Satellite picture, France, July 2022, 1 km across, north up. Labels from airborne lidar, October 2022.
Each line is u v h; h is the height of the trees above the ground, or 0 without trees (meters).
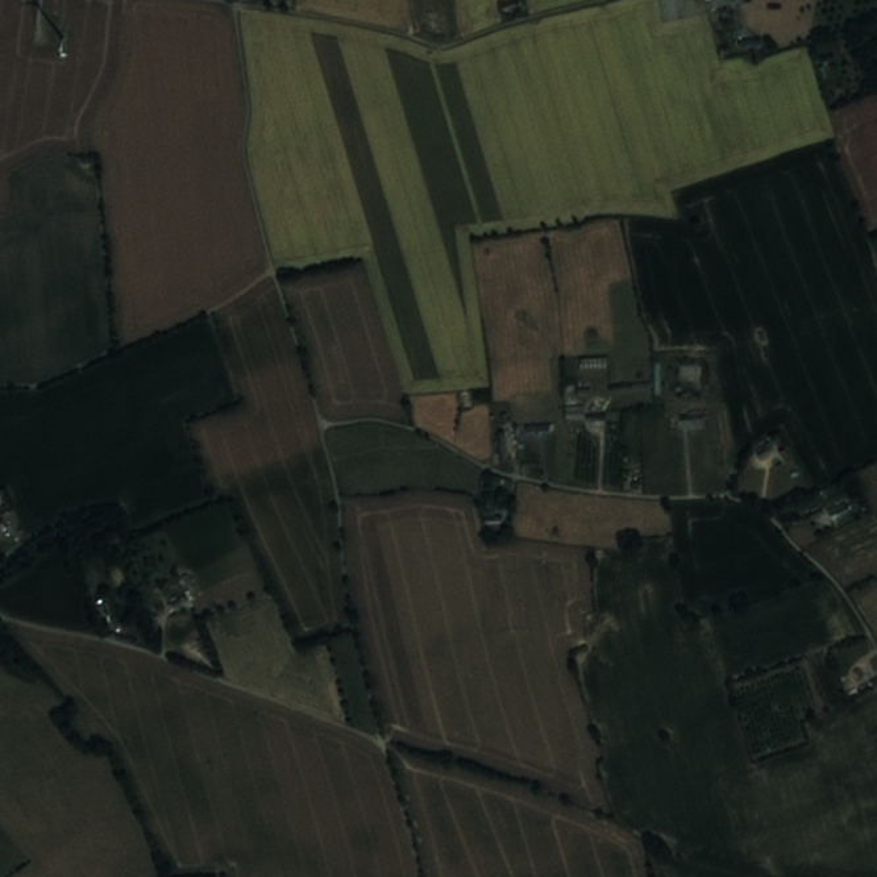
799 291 0
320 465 0
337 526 0
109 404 0
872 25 17
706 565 0
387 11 0
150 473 0
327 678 0
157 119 0
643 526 0
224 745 0
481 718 0
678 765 0
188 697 0
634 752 0
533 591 0
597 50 0
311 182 0
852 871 0
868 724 0
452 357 0
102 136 0
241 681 0
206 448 0
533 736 0
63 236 0
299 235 0
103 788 0
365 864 0
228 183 0
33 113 0
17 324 0
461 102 0
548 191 0
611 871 0
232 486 0
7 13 0
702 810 0
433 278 0
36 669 10
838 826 0
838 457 0
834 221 0
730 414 0
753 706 6
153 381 0
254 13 0
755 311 0
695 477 0
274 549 0
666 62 0
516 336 0
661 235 0
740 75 0
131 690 0
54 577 0
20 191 0
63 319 0
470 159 0
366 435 0
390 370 0
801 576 0
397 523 0
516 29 0
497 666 0
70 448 0
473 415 0
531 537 0
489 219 0
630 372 0
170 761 0
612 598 0
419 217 0
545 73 0
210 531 0
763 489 0
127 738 0
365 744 0
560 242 0
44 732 0
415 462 0
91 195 0
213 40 0
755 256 0
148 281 0
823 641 0
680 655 0
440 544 0
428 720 0
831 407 0
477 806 0
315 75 0
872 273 0
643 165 0
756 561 0
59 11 0
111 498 0
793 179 0
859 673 0
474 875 0
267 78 0
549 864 0
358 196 0
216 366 0
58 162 0
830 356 0
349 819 0
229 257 0
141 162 0
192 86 0
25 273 0
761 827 0
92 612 15
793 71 0
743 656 0
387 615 0
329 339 0
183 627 0
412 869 0
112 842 0
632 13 0
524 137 0
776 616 0
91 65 0
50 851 0
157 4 0
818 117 0
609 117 0
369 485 0
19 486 0
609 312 0
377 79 0
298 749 0
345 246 0
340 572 0
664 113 0
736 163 0
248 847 0
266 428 0
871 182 0
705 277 0
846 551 0
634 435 0
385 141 0
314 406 0
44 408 0
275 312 0
